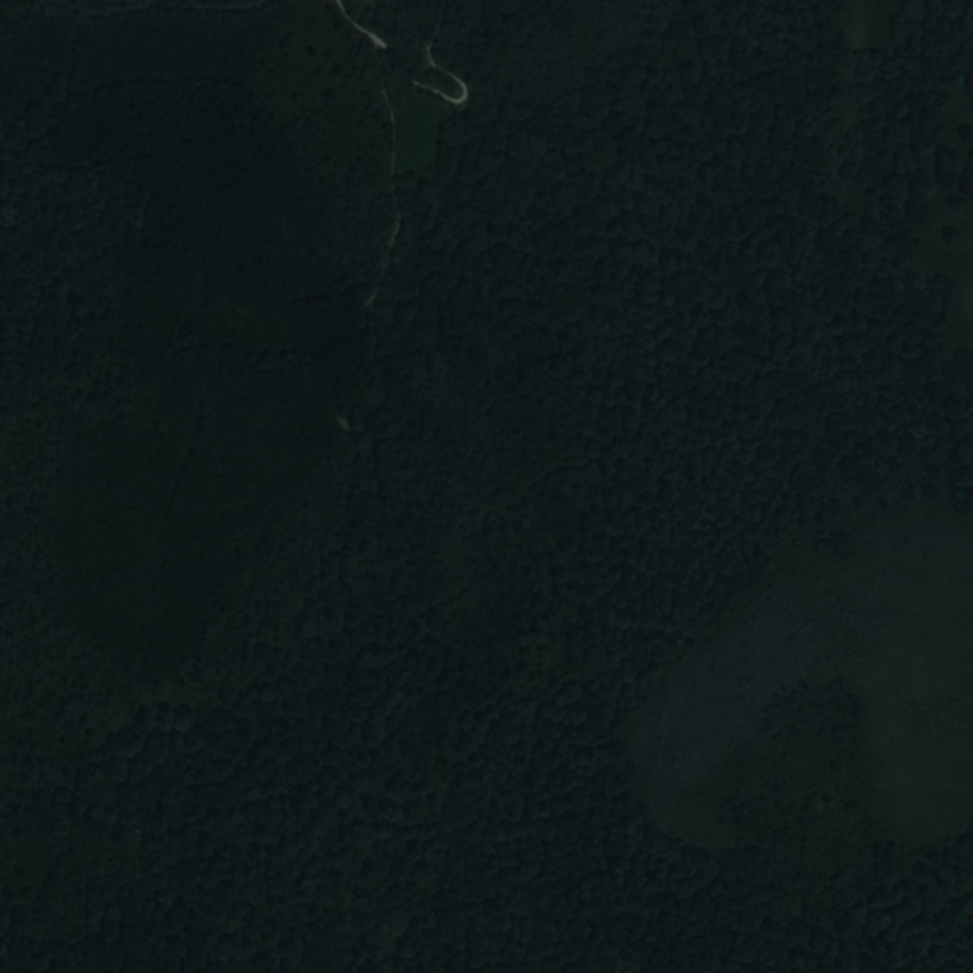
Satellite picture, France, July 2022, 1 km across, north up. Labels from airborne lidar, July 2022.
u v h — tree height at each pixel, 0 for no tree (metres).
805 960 27
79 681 9
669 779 0
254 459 15
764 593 0
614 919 31
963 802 0
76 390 9
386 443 27
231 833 31
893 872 21
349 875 10
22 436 11
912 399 32
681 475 12
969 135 23
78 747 11
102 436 13
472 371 11
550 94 13
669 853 32
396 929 30
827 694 8
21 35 13
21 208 25
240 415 14
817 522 8
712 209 27
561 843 27
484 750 27
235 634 10
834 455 14
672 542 14
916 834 0
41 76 12
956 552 0
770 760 7
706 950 28
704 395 30
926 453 18
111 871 7
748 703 0
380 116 15
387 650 23
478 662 12
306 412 14
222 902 32
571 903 28
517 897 27
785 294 27
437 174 7
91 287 25
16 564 12
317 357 23
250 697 24
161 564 11
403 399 24
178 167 22
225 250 23
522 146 35
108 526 13
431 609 8
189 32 14
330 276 17
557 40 9
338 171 6
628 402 10
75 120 23
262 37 12
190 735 7
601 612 9
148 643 12
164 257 15
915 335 32
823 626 0
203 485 10
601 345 16
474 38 19
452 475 17
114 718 30
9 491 8
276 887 31
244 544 11
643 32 18
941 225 0
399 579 27
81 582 16
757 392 31
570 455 8
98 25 13
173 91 20
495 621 15
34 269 29
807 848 8
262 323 19
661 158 24
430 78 14
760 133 29
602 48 10
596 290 29
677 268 21
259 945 11
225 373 18
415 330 16
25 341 13
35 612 9
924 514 0
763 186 28
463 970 29
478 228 31
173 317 16
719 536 35
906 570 0
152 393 16
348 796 28
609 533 31
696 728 0
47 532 12
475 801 31
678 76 12
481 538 9
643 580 34
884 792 0
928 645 0
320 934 37
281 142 19
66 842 12
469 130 14
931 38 28
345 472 9
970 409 8
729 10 27
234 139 23
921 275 8
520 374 9
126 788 20
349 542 22
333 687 25
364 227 17
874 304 26
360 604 22
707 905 34
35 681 23
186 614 15
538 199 10
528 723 24
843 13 13
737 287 22
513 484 9
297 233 15
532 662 19
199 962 27
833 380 18
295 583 11
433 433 10
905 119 25
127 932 30
